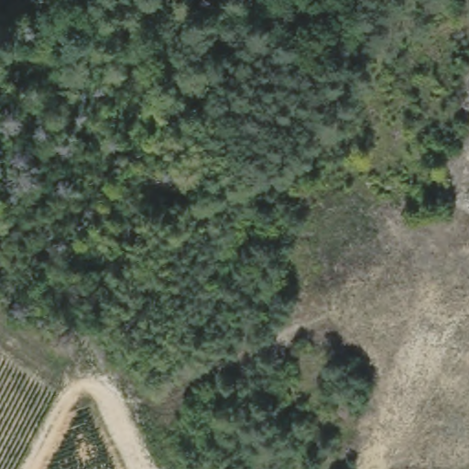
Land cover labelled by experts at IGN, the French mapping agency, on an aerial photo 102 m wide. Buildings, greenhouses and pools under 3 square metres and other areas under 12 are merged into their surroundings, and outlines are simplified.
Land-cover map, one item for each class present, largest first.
<instances>
[{"label":"coniferous trees","instance_id":"1","mask_svg":"<svg viewBox=\"0 0 469 469\"><path fill-rule=\"evenodd\" d=\"M469 137V0H0V295L9 300L5 310L7 321H26L33 326L35 332H38L42 341L49 339L57 346L70 344V335L75 330L79 335L93 333L97 337V346L103 348L104 361L110 365L115 359V354L121 355L123 363H130L134 370L145 377L143 385L147 388L167 383L176 370L189 363L205 365L209 372L189 381L183 392L185 405L181 407V418L189 421V425L181 434L180 451L187 460V469H319L322 458L319 451H324L330 440L339 436L341 429L333 423H324L315 412L306 410L304 403H308L310 396L299 390L302 374L299 357L293 355V348L299 346L302 341L310 344L313 341V332L300 328L288 344L277 341L278 332L289 324V317L293 313L295 302L299 300L300 291L297 267L282 255V249H291L297 244V236L288 234L289 229L306 220L311 205L324 202L328 207L341 205L344 198H348V194L352 192H359L366 198L370 202V209H379L381 203H385L387 209H398L399 213L403 214V224L410 229L429 227L432 220L451 222L456 207V189L447 161L462 154L464 141ZM324 366L332 370L339 368L341 381L361 379L376 387V366L370 363V357L363 352V348L344 343L343 337L337 332H328Z\"/></svg>","mask_w":469,"mask_h":469},{"label":"herbaceous vegetation","instance_id":"2","mask_svg":"<svg viewBox=\"0 0 469 469\"><path fill-rule=\"evenodd\" d=\"M456 189V207L451 222L432 220L429 227L410 229L403 224V214L399 213L398 209H387L385 203H381L379 209H370V202L366 198L359 192H352L348 194V198H344L341 205L328 207L324 202L311 205L306 220L289 229L288 234L297 236V244L291 249H282V255L297 267L300 291L299 300L295 302L293 313L289 317V324L278 332L277 341L288 344L300 328L313 332V341L310 344L302 341L299 346L293 348V355L299 357L302 374L299 390L310 396L308 403H304L306 410L315 412L324 423H333L341 429L339 436L330 440L324 451H319L322 458L319 469H469V137L464 141L462 154L447 161ZM328 332H337L343 337L344 343L363 348V352L370 357V363L376 366V387L361 379L341 381L339 368L332 370L324 366ZM9 300L0 295V348L13 355L22 365L31 368L42 379L49 383H59L60 387L64 388V379L77 381L88 376H108V381L119 388L121 396L125 399L130 420L136 425L143 442L147 445L150 460L158 469H187V460L180 451L181 434L189 425V421L181 418V407L185 405L183 392L189 381L209 372L205 365L189 363L176 370L167 383L147 388L143 385L145 377L134 370L130 363H123L121 355L115 354V359L110 365L104 361L103 348L97 346V337L93 333L79 335L75 330L70 335V344L57 346L49 339L42 341L38 332H35L33 326L26 321H7L5 310ZM75 414L79 410L92 412L95 427L114 462V469H128L123 454L104 423L97 401L92 396H81L71 407Z\"/></svg>","mask_w":469,"mask_h":469},{"label":"vineyard","instance_id":"3","mask_svg":"<svg viewBox=\"0 0 469 469\"><path fill-rule=\"evenodd\" d=\"M64 388L60 387L59 383H49L42 379L31 368L22 365L13 355L0 348V469H20L26 462L31 445L37 440L42 423L48 418L49 410ZM48 469H114V462L95 427L92 412L79 410L75 414L57 453L51 456Z\"/></svg>","mask_w":469,"mask_h":469},{"label":"pervious surface","instance_id":"4","mask_svg":"<svg viewBox=\"0 0 469 469\"><path fill-rule=\"evenodd\" d=\"M81 396H92L97 401L104 423L123 454L128 469H158L150 460L147 445L143 442L136 425L130 420L125 399L121 396L119 388L108 381V376H88L77 381L64 379V388L49 410L48 418L42 423L37 440L31 445L26 462L20 469H48L51 456L57 453L75 414L71 407Z\"/></svg>","mask_w":469,"mask_h":469}]
</instances>
